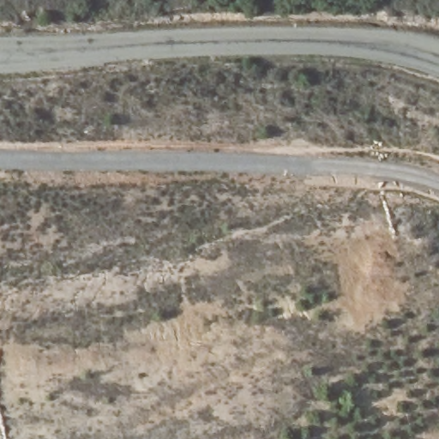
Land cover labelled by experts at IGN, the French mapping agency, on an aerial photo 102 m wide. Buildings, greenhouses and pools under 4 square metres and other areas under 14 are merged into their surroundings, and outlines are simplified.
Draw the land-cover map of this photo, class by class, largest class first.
<instances>
[{"label":"herbaceous vegetation","instance_id":"1","mask_svg":"<svg viewBox=\"0 0 439 439\"><path fill-rule=\"evenodd\" d=\"M197 12H225L219 7V3L209 5L207 2L197 3V0H0V39L3 36L26 34L74 36L125 31L135 33L158 29L292 26L290 15H283L281 21L262 19L149 24L151 15L168 17ZM374 14L384 10L396 17L394 24L381 21H298L297 26L365 27L398 33L427 34L439 38V29L406 26L403 15H422L425 19L439 17V0H376L370 7ZM238 57L223 55L156 58L151 65H144L141 58H129L65 72H0V142L120 141L123 127H151L156 130L171 127V130H175L178 141L247 144L281 137L288 144L297 139H305L316 146L336 147L370 146L372 142L379 141L384 146L412 147L417 151L439 154V127L434 123L418 125L415 118L408 117V111L417 110L432 117L439 111V82L406 74L403 70L382 67L381 62H372L367 58L341 55L250 57V62L257 67L252 79L235 72V58ZM360 103L374 105L382 115L396 118V127L374 122V127L365 129L364 123H358L352 115V111L358 110ZM310 163L317 159L364 158L374 163L410 166L439 177V159L386 153L384 158L377 159L374 154L365 151L304 154ZM117 173L141 175V183H93L86 187L41 183L36 190L31 187V183L27 182L24 175V171L19 168H3L0 165V290L3 286H10L17 290L27 288L31 292H43L48 286V276L89 274L96 271L101 273L110 271L111 268H120V276H127L129 271L142 268L141 256L159 257L170 262L173 259L194 261L195 257L216 261L221 252H228L230 259L228 268L223 271H216L213 274H190L180 285L156 281L153 290L149 292L146 288H139L137 297L132 302L111 305H93L86 302L81 305V309H77L74 317H65L62 312H43L36 319L12 316L9 328L3 329L0 326V346L5 341L15 340L19 345L36 343L45 350H51L57 345L89 348L94 343H117L123 338V328L135 331L146 328L151 322L175 319L182 314L183 300H189L190 304H209L219 298L223 300V307L228 309L233 305L247 302L252 304V309L240 310L238 314L226 316L228 326H235L238 322H245L249 326H271L285 334L290 341L288 345L278 341L264 343L261 345L264 352L254 353L252 357L245 358L242 367L238 365L237 360L230 365L221 362H202V367L207 372L206 379L187 384L182 389L159 381L154 388L137 391L132 386L101 381L98 370H87L84 376L70 379L72 391L110 405L117 401L118 396L146 400L154 394L158 398L153 405L141 406L139 410H135L129 415V422H118L117 427L123 437L115 439H357V430L350 424L338 425L336 420L319 422L317 413L329 410L331 406L328 401L329 384L346 381L355 374L364 372L370 364L381 362L384 353L405 348L408 338L415 334H420L424 338L417 343L420 350L439 348V202L408 190L388 189V183H382V189L379 190L352 189L334 185H307L305 178L304 175L297 173L288 175L286 170L283 173H276L274 177L273 173H261L259 177H252L249 171L226 173L213 170H117ZM384 201L389 206L394 242L396 249L400 250L401 257L398 261L389 252H384L382 257L391 269L389 276L394 281L408 285L405 304L401 305L396 319L369 321L364 333L348 331L343 338V352L338 353L336 343L321 340L319 333L324 331L329 321L333 322L336 317L341 316V310H324L312 319L293 316L285 319L278 304L269 300V293L276 292L281 297L292 298L293 304L300 309L309 310L322 302H333L341 297L338 264L321 261V254H333L334 249L319 252L312 245L300 240H292L285 244H268V238L276 233L309 235L314 230H319V235L331 237V233L336 232L334 226L340 223L343 214H348L350 221L369 219L372 214L384 211ZM43 204H48V206H50V209L46 211V218L43 219V223H41V225L39 226L31 225V219H29V211H36V213H38L39 209H41V206H43ZM50 226H57L58 235L51 244L50 252H46L43 244H39V237L45 235ZM259 226H266V232L257 235L254 240L232 238L233 230H249ZM117 237H134V244L111 245L82 261L63 266L67 259L74 256L72 250L75 252L84 249L86 245L98 244L101 240ZM271 264H292L293 273L266 274L256 283L249 281L247 300H240L242 292L237 285L240 276ZM304 350L309 355L307 360H292L290 364L283 360H274L273 364L269 365L271 374L259 372L254 376L252 369L257 360L269 357L274 352L288 355L290 352ZM232 374L249 379L252 386V403L232 408L230 415L233 417L230 422L214 417L209 406L199 412L189 413L185 418H177L175 405L178 401L192 398L195 391H199L202 386H209L211 382L226 379ZM408 394L405 401L413 403L420 415L439 417V377L422 374L418 377V382L406 384L403 389ZM244 389L238 382H230L226 386L209 389L207 396L223 391L226 396L225 405H228L230 400Z\"/></svg>","mask_w":439,"mask_h":439},{"label":"bare soil","instance_id":"2","mask_svg":"<svg viewBox=\"0 0 439 439\"><path fill-rule=\"evenodd\" d=\"M408 117L415 118L418 125L434 123L439 127V111L432 117L417 110L408 111ZM27 182L31 183V187L36 190L41 183L86 187L93 183H141V175L117 173H108V170L98 168L63 170V175L55 171H27L24 175ZM307 185H334L352 189L379 190L382 189V183H388V189L408 190L439 202V189L424 183L381 175H372V180L346 175L305 178ZM384 211L372 214L369 219L350 221L348 214H343L340 223L334 226L336 232L331 233V237L319 235V230H314L309 235L276 233L268 238V244H285L292 240H300L312 245L319 252L334 249L333 254H321V261L338 264L341 297L333 302H322L309 310L300 309L293 304L292 298L281 297L276 292L269 293V300L278 304L285 319L293 316L312 319L324 310H341V316L336 317L333 322L329 321L324 331L319 333L321 340L336 343L338 353L343 352V338L348 331L364 333L369 321L396 319L401 305L405 304L408 285L394 281L389 276L391 269L382 257L384 252H389L398 261L401 257L400 250L396 249L394 242L389 206L384 201ZM50 209V206H48V204H43V206H41V209H39L38 213H36V211H29V219H31V225L39 226L41 225V223H43V219L46 218V211ZM58 235L57 226H50L45 235L39 237V244H43L46 252H50L51 244ZM266 232V226H259L249 230H233L232 238L254 240L257 235ZM134 237H117L101 240L98 244L86 245L84 249L75 252L72 250L74 256L67 259L63 266L82 261L111 245L134 244ZM142 268L129 271L127 276H120V268H111L110 271L101 273L96 271L89 274L48 276V286L43 292H31L27 288L17 290L10 286H3L0 290V326L3 329L9 328L12 316L36 319L43 312H62L65 317H74L77 309H81V305L86 302L93 305H111L132 302L137 297L139 288H146L149 292L153 290L156 281L180 285L190 274H213L216 271H223L228 268L230 259L228 252H221L216 261L195 257L194 261L173 259L170 262L159 257L141 256ZM293 273L292 264H271L240 276L237 285L242 292L240 300H247L249 281L256 283L266 274ZM252 309V304L247 302L233 305L228 309L223 307V300L219 298L209 304H190L189 300H183L182 314L175 319L151 322L146 328L135 331L123 328V338L117 343H94L89 348L57 345L51 350H45L36 343L19 345L15 340L5 341L0 346V439H115L123 437L117 427L118 422H129V415L135 410H139L141 406L153 405L158 398L154 394L146 400L118 396L117 401L110 405L72 391L70 379L84 376L87 370H98L101 381L132 386L137 391L154 388L159 381L182 389L187 384L206 379L207 372L202 367V362H221L230 365L237 360L238 365L242 367L245 358L252 357L254 353L264 352L261 345L264 343L278 341L288 345L290 341L285 334L271 326H249L245 322H238L235 326H228L226 316L238 314L240 310ZM309 355L304 350L290 352L288 355L274 352L269 357L257 360L252 369L254 376L259 372L271 374L269 365L273 364L274 360H283L290 364L292 360H307ZM230 382H238L244 389L230 400L228 405H225L226 396L223 391L207 396L209 389L226 386ZM252 403V386L249 379L232 374L226 379L211 382L209 386H202L199 391H195L192 398L178 401L175 405L177 418H185L189 413L199 412L209 406L214 417L230 422L233 417L230 415L232 408ZM408 394L403 389H394L391 396L374 401L372 405L381 408L382 415H394L398 412L401 401H405Z\"/></svg>","mask_w":439,"mask_h":439},{"label":"impervious surface","instance_id":"3","mask_svg":"<svg viewBox=\"0 0 439 439\"><path fill-rule=\"evenodd\" d=\"M223 55L238 57H250L341 55L367 58L372 62H381L382 67L403 70L406 74L439 82V38L427 34L398 33L365 27L297 26H292L158 29L135 33L125 31L74 36L26 34L3 36L0 39V72H65L129 58H141L144 65H151L156 58ZM0 165L3 168H19L24 171V175L27 171H55L63 175V170L98 168L108 170V173H117V170H213L226 173L249 171L252 177H259L261 173H273L274 177L276 173H283L286 170L288 175L297 173L304 175L305 178L346 175L372 180V175H381L424 183L439 189V177L410 166L374 163L364 158L317 159L310 163L304 154L252 153L225 149L221 153H170L166 151V147H98L89 151L70 153L0 147Z\"/></svg>","mask_w":439,"mask_h":439},{"label":"deciduous trees","instance_id":"4","mask_svg":"<svg viewBox=\"0 0 439 439\"><path fill-rule=\"evenodd\" d=\"M207 2L209 5L219 3V7L225 12H237L254 17L264 14L283 15H290L310 12L374 14L370 7L376 0H197V3ZM424 338L420 334H415L408 338L405 348L384 353L381 362L370 364L364 372L355 374L346 381L329 384L328 401L331 406L329 410L317 413L319 422L336 420L338 425L350 424L357 430V439H439V417L420 415L413 403L405 401H401L398 412L394 415H382L381 408L372 405L374 401L391 396L394 389H403L406 384L418 382V377L422 374L439 377V348L420 350L417 343Z\"/></svg>","mask_w":439,"mask_h":439},{"label":"pervious surface","instance_id":"5","mask_svg":"<svg viewBox=\"0 0 439 439\"><path fill-rule=\"evenodd\" d=\"M292 26H297L298 21H381L394 24L396 17L384 10L374 14L310 12L290 15ZM283 15L264 14L254 17L237 12H197L168 17L151 15L149 24L262 19L281 21ZM406 26L439 29V17L425 19L422 15H403ZM0 147L70 153L89 151L98 147H166V151L170 153H221L225 149L252 153L304 154L365 151L374 154L377 159L384 158L386 153L439 159V154L417 151L412 147L384 146L379 141L372 142L370 146L336 147L316 146L305 139H297L288 144L281 137L247 144L178 141L175 130H171V127L156 130L151 127H123L120 141L0 142Z\"/></svg>","mask_w":439,"mask_h":439},{"label":"brushwood","instance_id":"6","mask_svg":"<svg viewBox=\"0 0 439 439\"><path fill-rule=\"evenodd\" d=\"M235 72L252 79L257 67L250 62V57H238L235 58ZM352 115L358 123H364L365 129L374 127V122L396 127V118L382 115L374 105L360 103L358 110L352 111Z\"/></svg>","mask_w":439,"mask_h":439}]
</instances>
